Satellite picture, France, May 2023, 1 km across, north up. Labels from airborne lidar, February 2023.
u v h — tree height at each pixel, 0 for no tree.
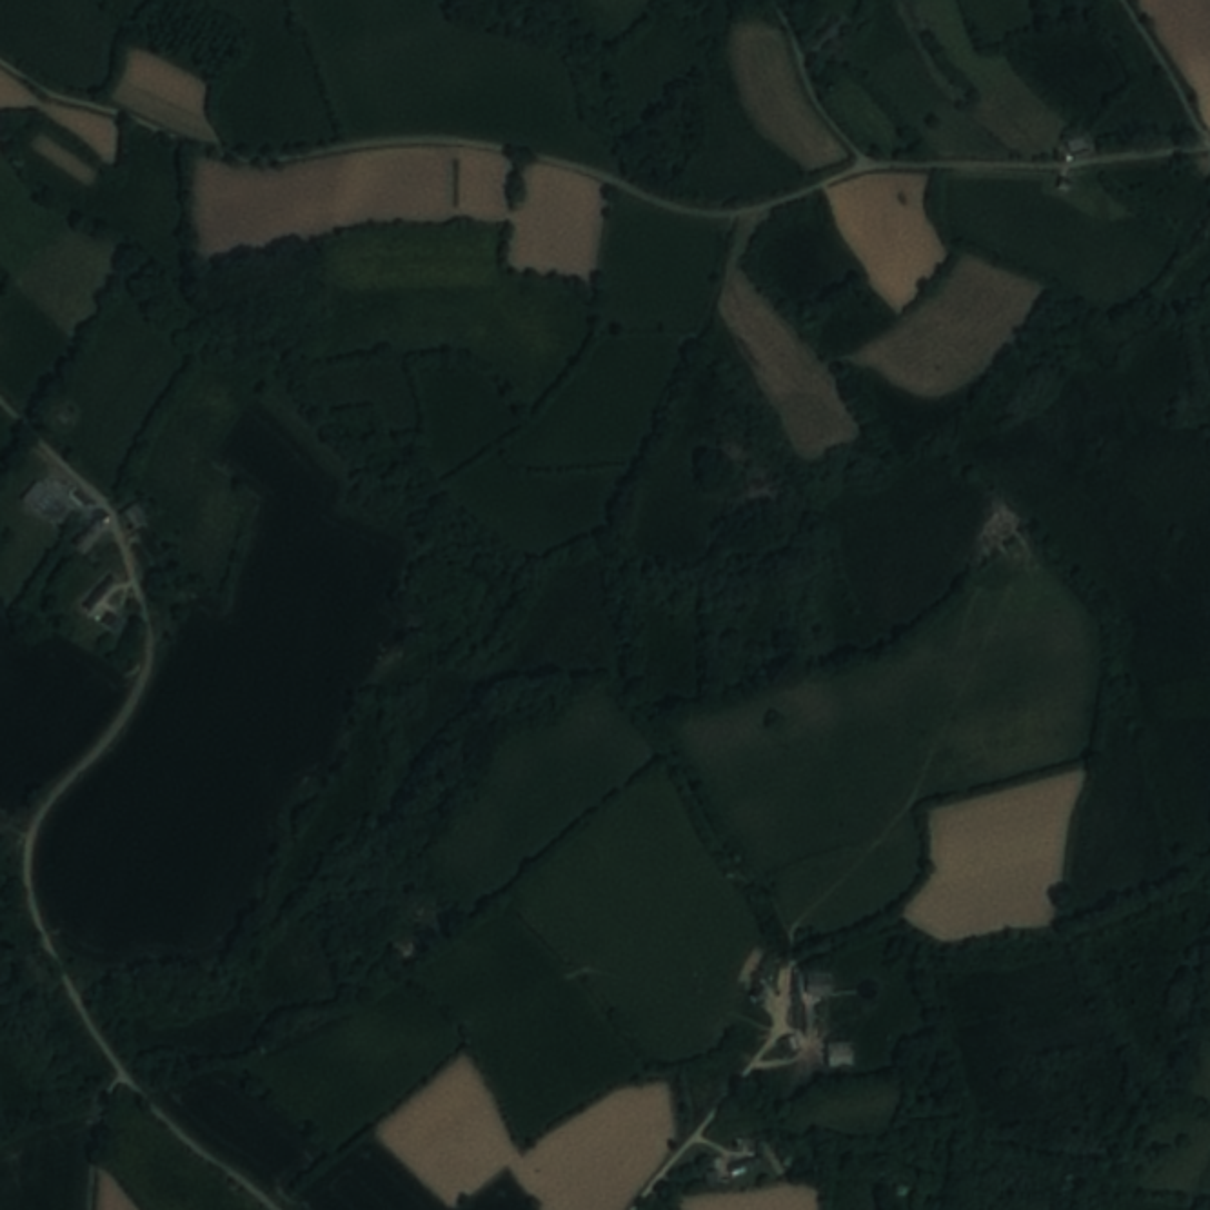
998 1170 14
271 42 0
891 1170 10
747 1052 0
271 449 0
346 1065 0
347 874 9
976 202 0
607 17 0
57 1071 10
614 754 0
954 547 0
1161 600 0
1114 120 0
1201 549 0
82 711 0
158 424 8
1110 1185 11
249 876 0
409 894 12
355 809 0
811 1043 0
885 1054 0
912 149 10
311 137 0
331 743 0
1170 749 0
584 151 0
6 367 0
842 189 0
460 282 0
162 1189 0
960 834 0
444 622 8
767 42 0
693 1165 6
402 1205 0
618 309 0
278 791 0
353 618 0
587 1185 0
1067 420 0
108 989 14
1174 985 10
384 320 0
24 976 15
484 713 21
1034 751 0
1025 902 0
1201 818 0
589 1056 0
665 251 0
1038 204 0
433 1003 7
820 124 0
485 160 0
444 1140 0
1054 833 0
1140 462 0
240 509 0
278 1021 14
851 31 10
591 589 0
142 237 0
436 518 13
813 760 0
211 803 0
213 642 0
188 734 0
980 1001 0
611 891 0
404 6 0
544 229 0
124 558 0
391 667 0
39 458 0
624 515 19
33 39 0
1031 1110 0
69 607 0
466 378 0
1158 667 0
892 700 0
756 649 7
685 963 0
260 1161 0
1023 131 0
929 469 0
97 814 0
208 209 0
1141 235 0
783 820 0
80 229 12
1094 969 8
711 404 0
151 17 12
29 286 0
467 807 16
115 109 0
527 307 0
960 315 0
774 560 13
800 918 0
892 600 0
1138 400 0
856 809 0
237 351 9
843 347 0
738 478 9
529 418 7
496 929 0
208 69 17
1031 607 0
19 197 0
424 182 0
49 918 0
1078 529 0
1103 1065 0
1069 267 0
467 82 0
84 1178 0
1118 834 0
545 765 0
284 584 0
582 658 0
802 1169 14
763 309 0
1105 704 7
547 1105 0
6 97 0
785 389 0
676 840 0
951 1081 15
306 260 23
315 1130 15
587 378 0
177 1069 21
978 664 0
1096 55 0
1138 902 16
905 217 0
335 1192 0
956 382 0
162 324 18
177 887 0
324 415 10
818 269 0
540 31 12
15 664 0
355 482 9
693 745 0
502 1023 0
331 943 17
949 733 0
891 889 0
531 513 0
